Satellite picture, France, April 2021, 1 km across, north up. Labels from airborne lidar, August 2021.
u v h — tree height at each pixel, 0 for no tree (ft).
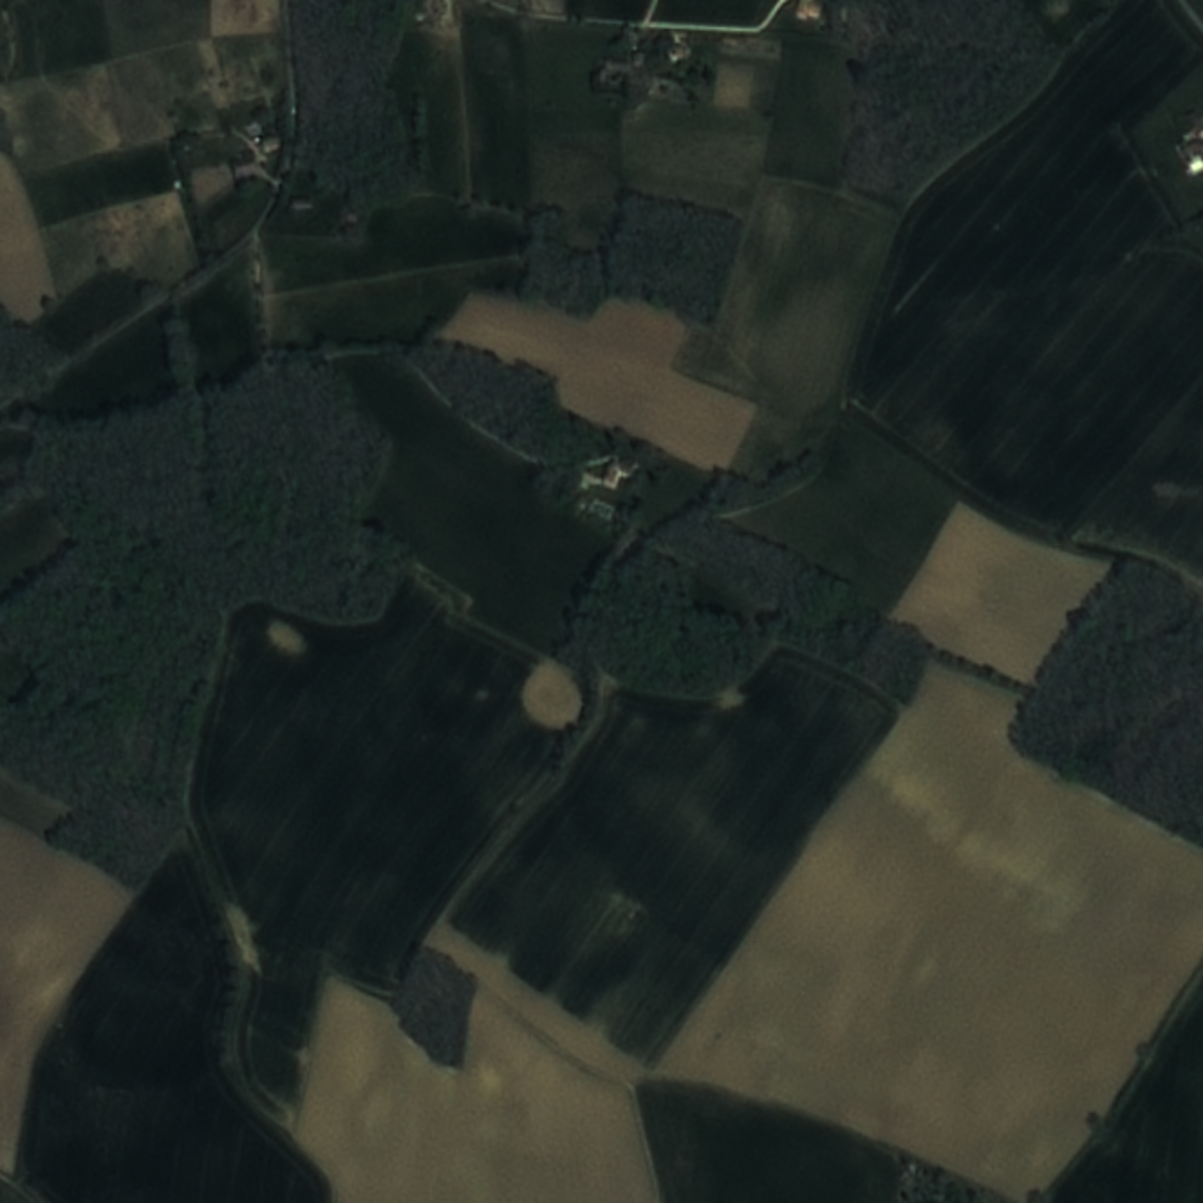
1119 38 0
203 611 73
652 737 0
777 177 0
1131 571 60
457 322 0
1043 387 0
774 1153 0
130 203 0
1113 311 0
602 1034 0
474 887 0
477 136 0
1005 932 0
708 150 0
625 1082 0
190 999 0
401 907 0
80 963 0
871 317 0
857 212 0
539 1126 0
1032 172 0
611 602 61
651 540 44
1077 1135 0
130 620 73
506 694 0
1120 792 67
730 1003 0
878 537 0
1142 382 0
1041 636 0
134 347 0
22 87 0
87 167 0
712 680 68
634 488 39
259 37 0
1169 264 0
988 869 0
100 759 69
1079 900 0
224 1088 0
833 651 36
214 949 0
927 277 0
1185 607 37
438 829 0
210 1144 0
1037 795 0
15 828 0
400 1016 39
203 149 0
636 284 67
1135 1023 0
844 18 61
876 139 45
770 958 0
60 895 0
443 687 0
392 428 0
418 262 0
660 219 69
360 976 0
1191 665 35
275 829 0
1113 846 0
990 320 0
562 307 45
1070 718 52
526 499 0
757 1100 0
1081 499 0
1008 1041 0
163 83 0
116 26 0
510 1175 0
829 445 0
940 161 37
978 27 57
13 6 0
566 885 0
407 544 41
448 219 0
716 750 0
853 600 38
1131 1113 0
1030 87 32
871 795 0
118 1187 0
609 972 0
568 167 0
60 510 58
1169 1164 0
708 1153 0
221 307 0
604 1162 0
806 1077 0
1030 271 0
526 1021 0
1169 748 58
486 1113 0
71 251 0
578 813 0
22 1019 0
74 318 0
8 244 0
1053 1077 0
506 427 56
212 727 0
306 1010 0
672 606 86
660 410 0
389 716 0
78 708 55
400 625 0
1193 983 0
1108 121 0
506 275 0
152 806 60
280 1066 0
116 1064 0
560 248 57
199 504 71
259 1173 0
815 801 0
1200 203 0
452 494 0
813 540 0
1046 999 0
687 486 0
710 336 0
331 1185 0
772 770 0
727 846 0
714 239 61
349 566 63
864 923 0
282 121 22
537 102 0
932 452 0
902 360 0
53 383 53
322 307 0
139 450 68
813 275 0
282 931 0
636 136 0
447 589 0
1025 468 0
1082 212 0
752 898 0
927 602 0
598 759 0
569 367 0
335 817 0
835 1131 0
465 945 0
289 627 0
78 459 75
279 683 0
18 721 68
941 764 0
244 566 78
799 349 0
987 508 0
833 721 0
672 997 0
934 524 0
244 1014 0
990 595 0
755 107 0
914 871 0
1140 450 0
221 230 0
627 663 64
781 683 0
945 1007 0
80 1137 0
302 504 85
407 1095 0
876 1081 0
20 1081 0
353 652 0
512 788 0
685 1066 0
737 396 0
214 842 0
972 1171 0
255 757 0
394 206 49
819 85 0
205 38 0
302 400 67
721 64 0
